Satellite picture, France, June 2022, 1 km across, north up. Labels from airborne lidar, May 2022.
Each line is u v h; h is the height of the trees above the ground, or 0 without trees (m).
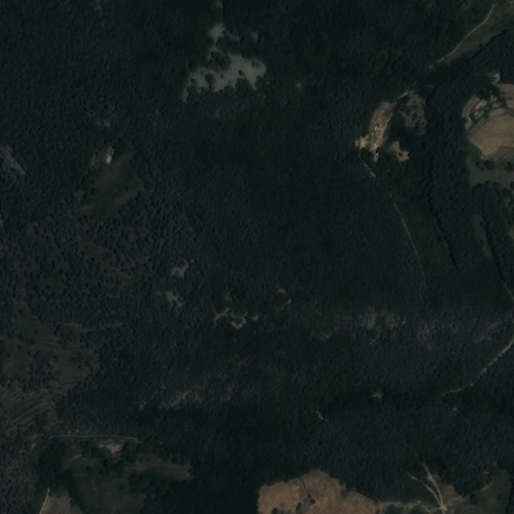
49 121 13
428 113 14
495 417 22
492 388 25
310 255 16
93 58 15
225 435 19
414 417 20
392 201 19
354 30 24
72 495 11
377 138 0
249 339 16
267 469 18
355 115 18
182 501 15
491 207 32
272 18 20
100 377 11
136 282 8
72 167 13
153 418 17
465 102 6
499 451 21
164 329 17
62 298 18
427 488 8
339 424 19
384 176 15
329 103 21
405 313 14
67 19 16
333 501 0
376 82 15
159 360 17
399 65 9
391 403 25
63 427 15
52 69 20
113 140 11
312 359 17
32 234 0
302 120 21
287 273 19
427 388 21
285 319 11
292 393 15
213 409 13
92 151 11
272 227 15
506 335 15
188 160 19
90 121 15
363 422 23
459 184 33
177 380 14
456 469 16
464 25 9
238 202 20
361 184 19
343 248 21
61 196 15
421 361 20
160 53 18
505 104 6
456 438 18
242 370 12
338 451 18
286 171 15
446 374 15
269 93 14
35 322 0
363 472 22
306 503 0
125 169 0
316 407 22
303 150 16
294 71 14
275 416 19
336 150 15
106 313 18
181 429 19
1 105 19
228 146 20
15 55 21
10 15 22
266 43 13
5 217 17
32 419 0
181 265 12
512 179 0
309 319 11
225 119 14
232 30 13
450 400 22
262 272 20
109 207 0
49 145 15
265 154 14
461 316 10
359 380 18
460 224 30
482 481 14
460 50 0
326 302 14
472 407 25
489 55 27
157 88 16
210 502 14
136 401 13
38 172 18
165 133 15
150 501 12
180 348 16
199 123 12
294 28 11
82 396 12
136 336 14
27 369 0
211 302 13
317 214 21
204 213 14
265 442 21
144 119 15
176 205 20
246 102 13
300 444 20
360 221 23
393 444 18
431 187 21
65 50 15
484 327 11
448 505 0
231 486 17
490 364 15
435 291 12
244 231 16
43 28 20
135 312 17
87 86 19
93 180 9
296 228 20
